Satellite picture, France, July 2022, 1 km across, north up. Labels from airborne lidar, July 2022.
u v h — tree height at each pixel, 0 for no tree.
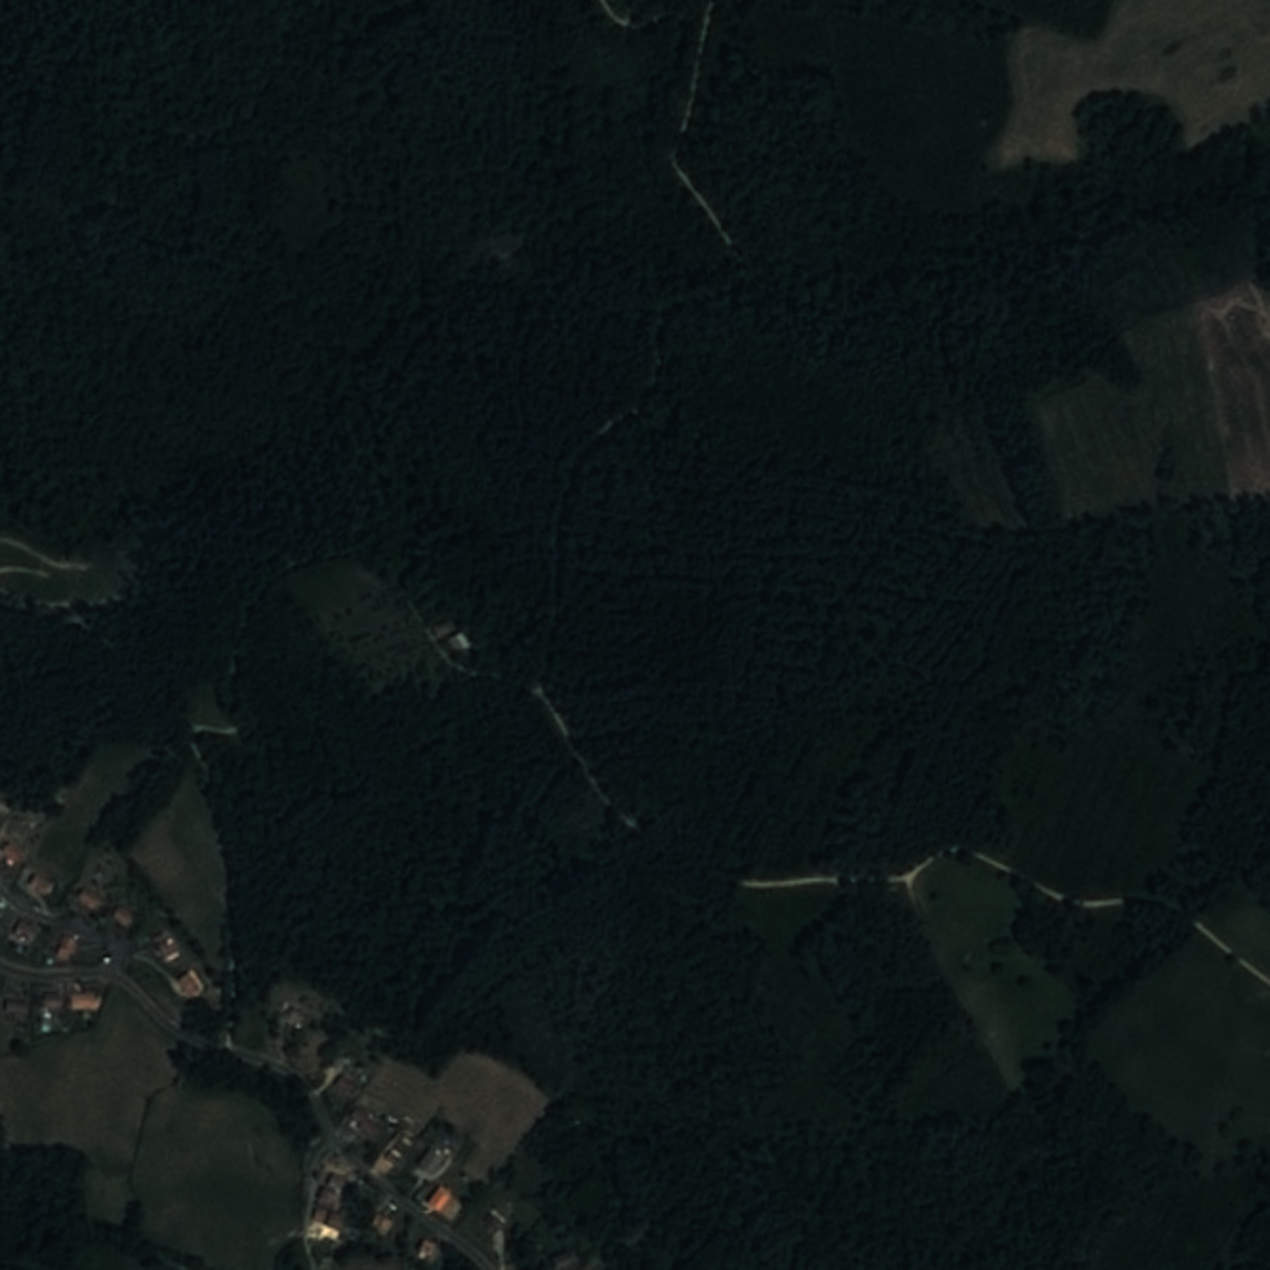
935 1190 16
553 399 18
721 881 16
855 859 23
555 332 21
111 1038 0
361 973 25
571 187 21
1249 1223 11
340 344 10
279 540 18
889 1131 10
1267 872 20
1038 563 19
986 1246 8
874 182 20
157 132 9
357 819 21
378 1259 12
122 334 13
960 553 20
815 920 0
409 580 14
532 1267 8
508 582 21
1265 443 0
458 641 0
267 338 7
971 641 19
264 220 18
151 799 14
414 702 15
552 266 11
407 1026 9
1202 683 18
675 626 21
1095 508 0
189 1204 0
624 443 18
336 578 0
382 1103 0
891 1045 10
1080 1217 18
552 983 15
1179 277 0
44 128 31
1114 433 0
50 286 10
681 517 21
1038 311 7
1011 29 14
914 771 25
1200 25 0
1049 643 12
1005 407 21
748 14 16
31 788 17
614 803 16
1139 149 12
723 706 21
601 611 14
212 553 25
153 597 11
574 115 14
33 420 16
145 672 15
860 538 14
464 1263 11
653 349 14
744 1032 19
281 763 17
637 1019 16
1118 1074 0
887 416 11
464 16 34
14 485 25
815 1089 0
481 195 19
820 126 19
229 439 10
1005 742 20
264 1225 0
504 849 39
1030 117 0
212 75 9
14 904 0
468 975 34
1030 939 19
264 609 9
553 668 14
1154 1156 22
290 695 8
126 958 0
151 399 7
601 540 24
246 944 16
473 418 17
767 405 15
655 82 16
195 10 10
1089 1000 15
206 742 18
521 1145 6
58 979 0
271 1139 0
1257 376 0
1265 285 14
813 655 21
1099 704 30
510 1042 17
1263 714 23
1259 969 0
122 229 25
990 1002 0
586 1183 7
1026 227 27
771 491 24
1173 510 11
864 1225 15
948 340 22
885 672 14
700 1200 12
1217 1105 0
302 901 26
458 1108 0
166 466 13
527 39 23
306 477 19
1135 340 0
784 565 23
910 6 22
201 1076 11
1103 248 30
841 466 11
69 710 24
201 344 17
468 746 15
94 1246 20
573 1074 0
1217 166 21
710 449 19
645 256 13
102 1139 0
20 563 0
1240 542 22
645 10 16
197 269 26
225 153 18
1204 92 0
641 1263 7
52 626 16
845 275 22
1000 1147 16
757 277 8
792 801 13
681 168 14
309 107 8
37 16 18
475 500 17
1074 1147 18
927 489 15
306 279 20
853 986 23
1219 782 15
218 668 14
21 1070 0
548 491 24
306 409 15
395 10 7
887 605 22
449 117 12
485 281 19
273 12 16
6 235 20
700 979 18
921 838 24
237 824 18
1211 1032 0
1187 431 0
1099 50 0
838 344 14
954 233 15
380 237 12
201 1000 7
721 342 19
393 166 15
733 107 25
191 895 0
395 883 22
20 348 13
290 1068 0
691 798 16
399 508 16
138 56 13
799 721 17
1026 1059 0
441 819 19
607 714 21
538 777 30
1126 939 8
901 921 7
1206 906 21
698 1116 23
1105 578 24
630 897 24
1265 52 0
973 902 0
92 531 6
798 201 11
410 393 14
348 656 9
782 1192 19
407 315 16
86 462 10
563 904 31
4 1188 22
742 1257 23
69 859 0
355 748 20
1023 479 33
